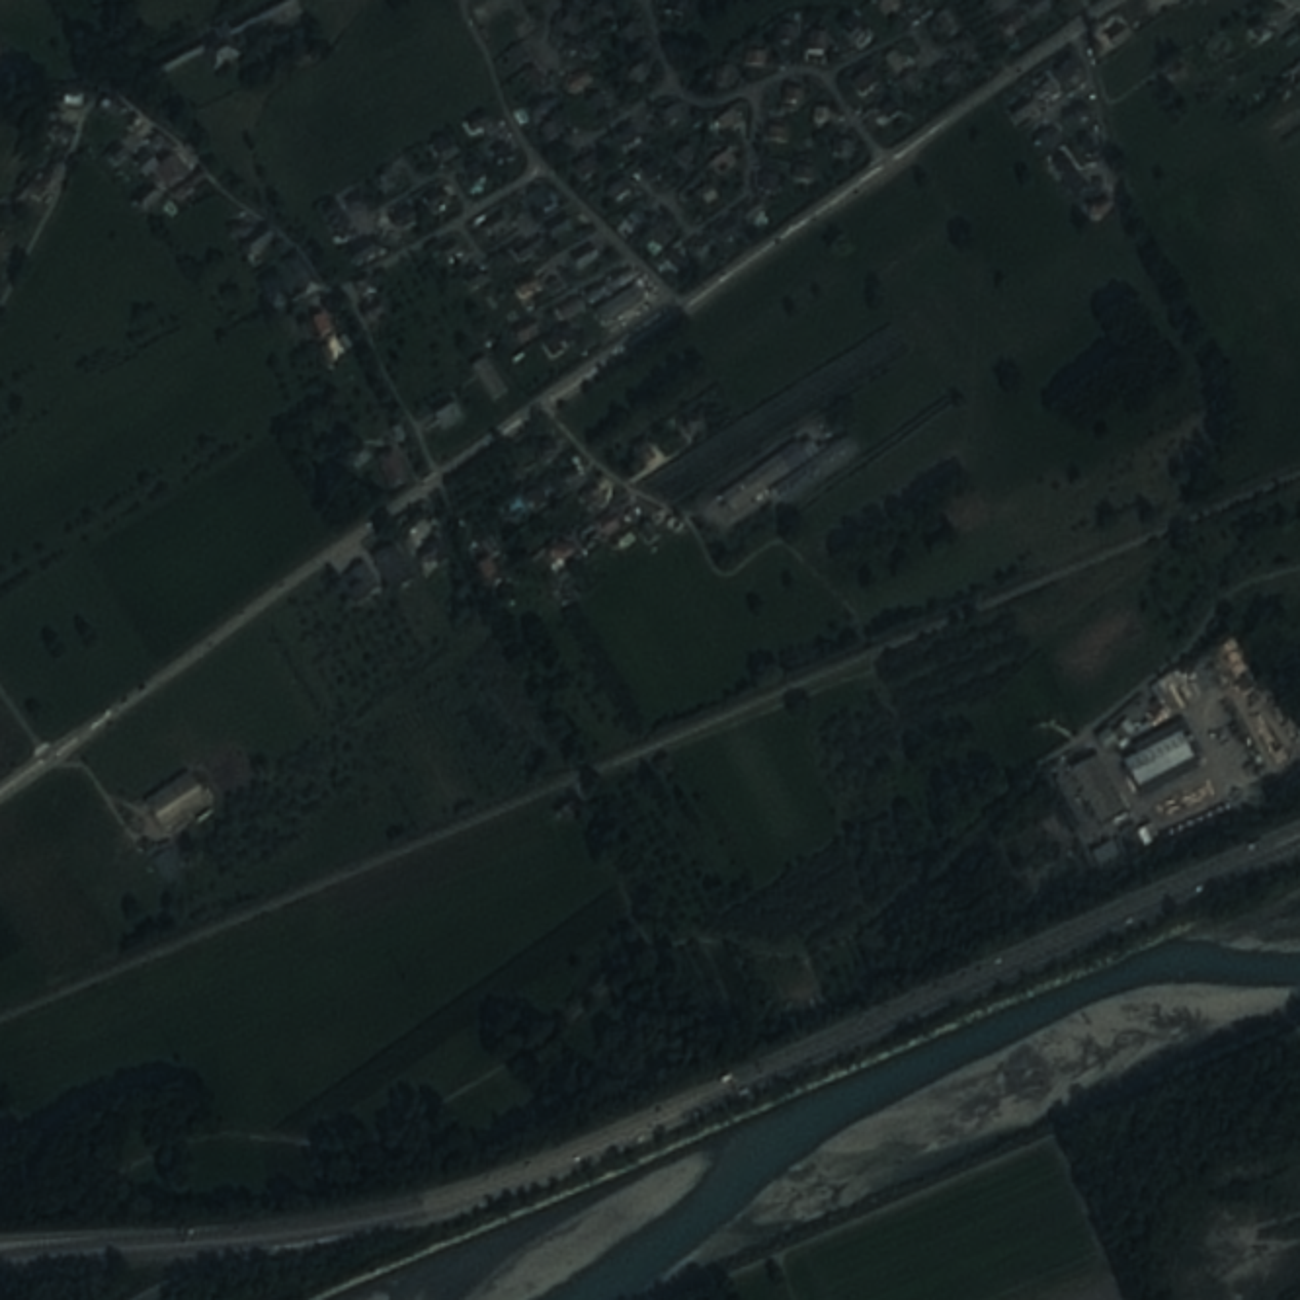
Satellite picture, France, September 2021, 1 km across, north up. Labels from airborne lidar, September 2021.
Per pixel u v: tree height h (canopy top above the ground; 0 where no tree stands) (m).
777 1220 0
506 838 0
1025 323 0
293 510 0
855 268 0
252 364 0
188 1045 0
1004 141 0
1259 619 14
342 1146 20
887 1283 0
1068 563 0
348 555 0
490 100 0
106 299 0
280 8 0
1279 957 0
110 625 0
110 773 0
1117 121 0
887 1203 0
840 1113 0
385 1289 0
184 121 18
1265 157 0
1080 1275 0
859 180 0
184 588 0
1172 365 23
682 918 6
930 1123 0
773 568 0
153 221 6
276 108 0
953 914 16
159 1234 0
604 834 17
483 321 8
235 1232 0
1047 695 0
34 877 0
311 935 0
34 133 19
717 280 0
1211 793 0
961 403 13
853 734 7
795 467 0
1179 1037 0
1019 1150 0
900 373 0
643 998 11
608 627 0
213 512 0
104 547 0
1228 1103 18
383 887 0
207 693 0
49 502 0
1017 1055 0
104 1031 0
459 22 0
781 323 0
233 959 0
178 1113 25
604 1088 23
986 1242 0
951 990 0
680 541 0
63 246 0
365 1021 0
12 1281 15
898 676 8
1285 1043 18
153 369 0
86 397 0
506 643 15
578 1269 0
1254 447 0
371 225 0
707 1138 0
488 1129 0
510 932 0
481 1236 0
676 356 0
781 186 6
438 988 0
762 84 0
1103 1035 0
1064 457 0
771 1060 0
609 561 0
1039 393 0
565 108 7
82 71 19
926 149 0
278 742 0
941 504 17
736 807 0
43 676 0
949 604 7
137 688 0
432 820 0
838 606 0
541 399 0
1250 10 6
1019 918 6
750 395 0
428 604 0
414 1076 0
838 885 7
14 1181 20
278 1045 0
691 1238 0
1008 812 13
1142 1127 20
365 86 0
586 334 8
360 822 0
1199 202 0
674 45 14
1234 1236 0
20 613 0
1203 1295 0
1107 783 0
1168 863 16
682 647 0
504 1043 23
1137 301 17
